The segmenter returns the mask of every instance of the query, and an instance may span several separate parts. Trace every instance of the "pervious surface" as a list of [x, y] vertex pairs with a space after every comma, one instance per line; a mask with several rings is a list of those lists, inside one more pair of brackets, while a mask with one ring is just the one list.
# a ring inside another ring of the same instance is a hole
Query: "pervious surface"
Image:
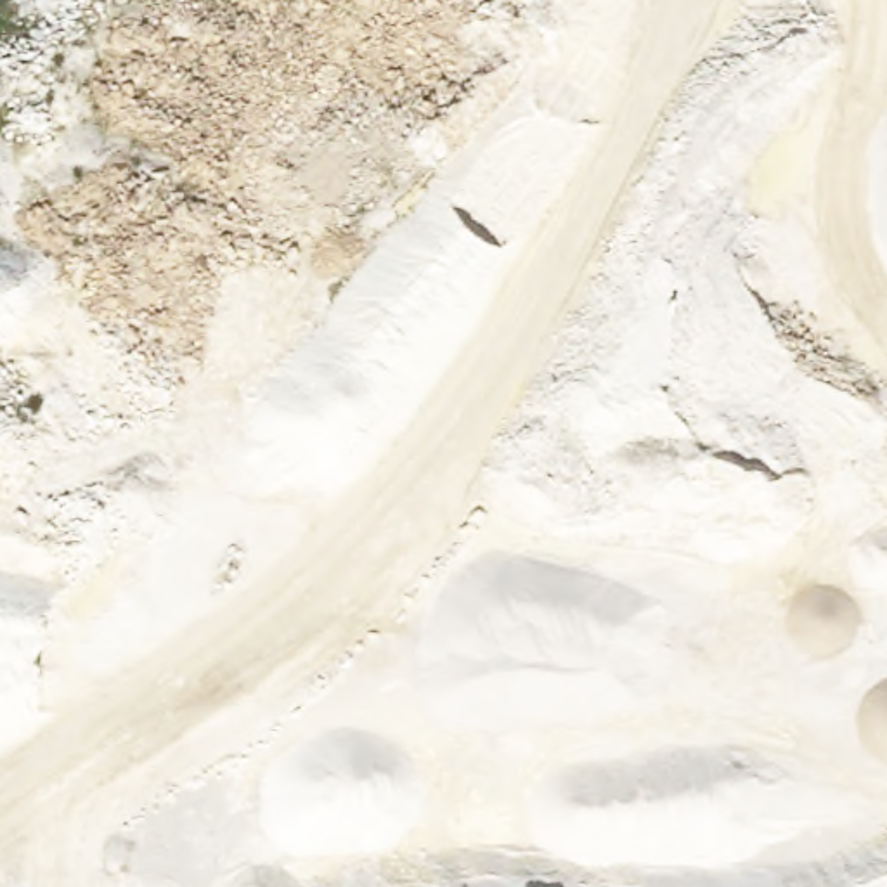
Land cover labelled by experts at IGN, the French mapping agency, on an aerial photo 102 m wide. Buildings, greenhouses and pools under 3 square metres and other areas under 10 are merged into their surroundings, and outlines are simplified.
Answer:
[[887, 887], [887, 0], [0, 0], [0, 887]]

